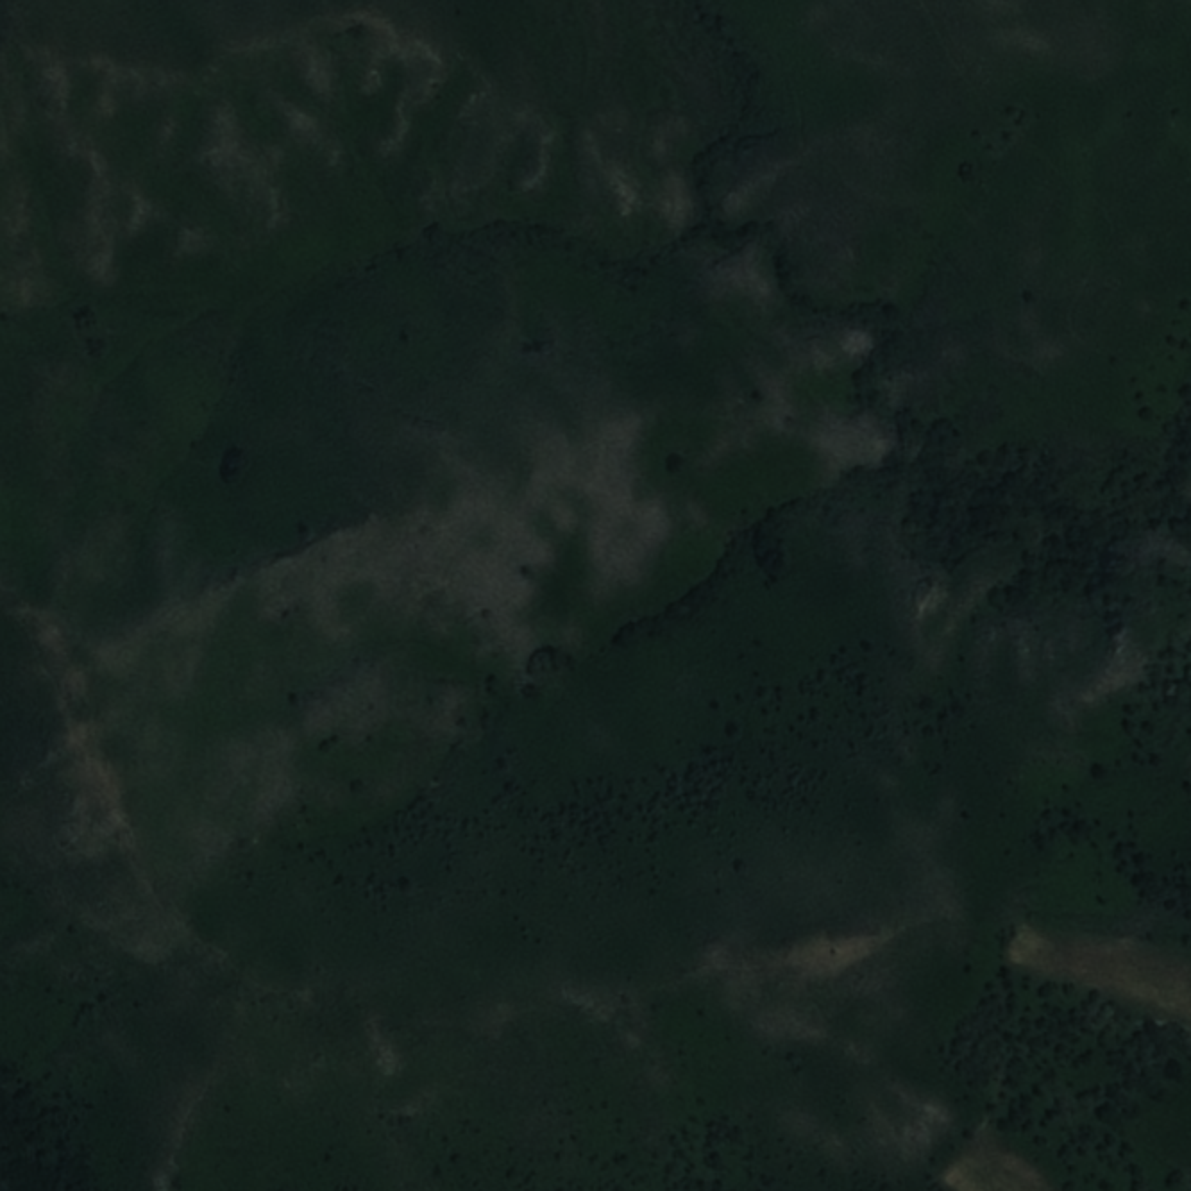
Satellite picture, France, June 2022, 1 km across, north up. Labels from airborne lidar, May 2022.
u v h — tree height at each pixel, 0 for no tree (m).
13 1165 15
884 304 9
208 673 0
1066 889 0
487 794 0
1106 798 0
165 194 0
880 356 11
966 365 0
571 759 0
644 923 0
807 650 0
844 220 0
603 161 0
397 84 0
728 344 0
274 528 0
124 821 0
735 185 0
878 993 0
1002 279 0
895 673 0
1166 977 0
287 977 0
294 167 0
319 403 0
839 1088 0
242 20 0
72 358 0
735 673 0
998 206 0
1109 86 0
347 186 0
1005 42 0
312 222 0
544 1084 0
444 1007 0
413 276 0
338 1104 0
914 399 0
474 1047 0
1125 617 10
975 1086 10
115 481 0
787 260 10
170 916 0
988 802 0
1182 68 0
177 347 0
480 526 0
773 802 7
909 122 0
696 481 0
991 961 0
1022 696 0
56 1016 0
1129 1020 12
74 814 0
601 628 0
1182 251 0
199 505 0
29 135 0
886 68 0
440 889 0
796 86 0
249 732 0
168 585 0
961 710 12
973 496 13
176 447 0
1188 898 12
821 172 0
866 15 0
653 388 0
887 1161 0
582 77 0
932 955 0
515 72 0
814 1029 0
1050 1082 13
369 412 0
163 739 0
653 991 0
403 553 0
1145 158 0
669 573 0
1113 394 0
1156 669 12
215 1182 0
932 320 0
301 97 0
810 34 0
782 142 0
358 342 0
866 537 0
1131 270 0
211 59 0
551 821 6
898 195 0
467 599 0
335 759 0
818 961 0
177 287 0
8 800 0
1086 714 0
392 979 0
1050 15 0
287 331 0
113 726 0
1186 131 0
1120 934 0
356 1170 0
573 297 0
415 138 0
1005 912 0
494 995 0
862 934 0
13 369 0
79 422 0
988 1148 0
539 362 0
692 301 0
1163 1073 15
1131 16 0
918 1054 0
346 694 0
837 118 0
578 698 0
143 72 0
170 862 0
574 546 0
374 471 0
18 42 0
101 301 0
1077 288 0
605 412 0
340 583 0
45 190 0
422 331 0
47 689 0
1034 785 0
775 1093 0
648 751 0
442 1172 9
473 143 0
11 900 0
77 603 0
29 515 0
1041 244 0
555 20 0
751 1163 11
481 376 0
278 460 0
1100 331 0
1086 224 0
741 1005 0
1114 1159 11
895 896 0
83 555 0
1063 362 0
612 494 0
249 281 0
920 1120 0
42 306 0
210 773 0
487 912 0
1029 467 15
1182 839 0
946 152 0
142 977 0
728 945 0
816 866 0
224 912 0
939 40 0
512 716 0
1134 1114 16
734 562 8
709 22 10
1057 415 0
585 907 0
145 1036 0
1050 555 8
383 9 0
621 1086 0
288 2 0
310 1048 0
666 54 0
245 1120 0
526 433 0
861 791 0
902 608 0
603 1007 0
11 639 0
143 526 0
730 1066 0
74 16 0
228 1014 0
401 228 0
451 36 0
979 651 0
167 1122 0
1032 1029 11
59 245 0
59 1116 8
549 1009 0
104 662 0
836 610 0
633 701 0
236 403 0
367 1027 0
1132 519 16
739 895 0
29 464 0
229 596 0
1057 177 0
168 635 0
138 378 0
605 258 7
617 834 7
